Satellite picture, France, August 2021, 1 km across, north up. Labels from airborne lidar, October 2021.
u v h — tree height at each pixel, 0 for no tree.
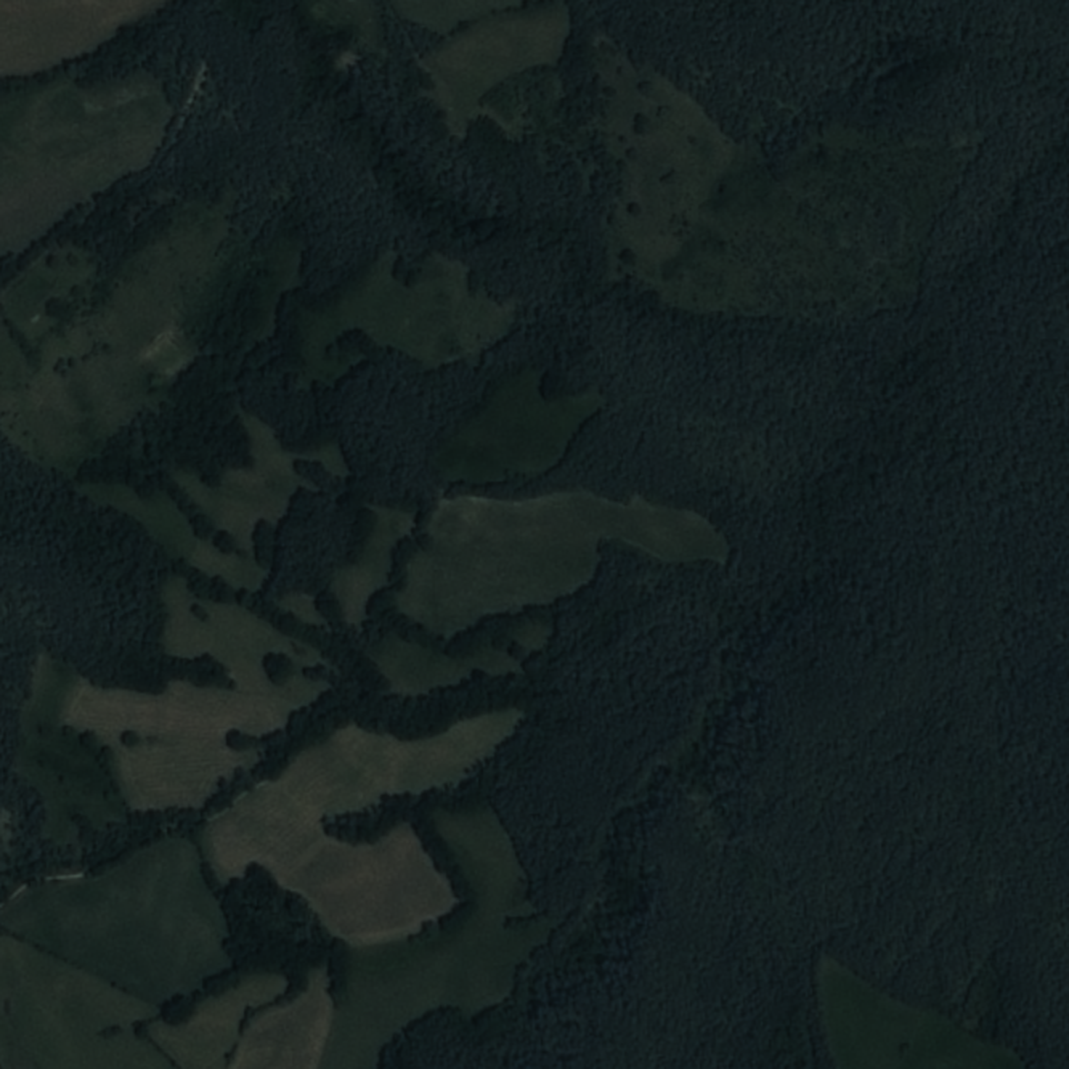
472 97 0
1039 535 13
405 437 16
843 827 11
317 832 0
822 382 7
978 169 11
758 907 10
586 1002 13
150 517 0
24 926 0
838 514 18
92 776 0
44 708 0
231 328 17
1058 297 13
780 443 8
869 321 10
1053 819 13
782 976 16
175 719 0
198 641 0
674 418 9
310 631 14
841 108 18
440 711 19
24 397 0
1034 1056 16
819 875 7
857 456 17
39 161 0
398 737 19
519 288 17
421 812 25
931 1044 0
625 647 11
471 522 0
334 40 11
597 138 11
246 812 0
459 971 0
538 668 20
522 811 12
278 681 17
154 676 18
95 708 0
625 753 15
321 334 0
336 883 0
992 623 10
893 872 13
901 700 8
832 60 11
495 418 0
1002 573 13
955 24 18
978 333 14
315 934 20
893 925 12
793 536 12
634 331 12
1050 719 11
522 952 0
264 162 9
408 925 0
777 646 15
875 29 11
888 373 15
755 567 12
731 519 13
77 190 0
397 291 0
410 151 16
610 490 11
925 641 9
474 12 0
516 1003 9
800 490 12
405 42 6
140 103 0
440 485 15
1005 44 12
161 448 13
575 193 16
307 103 11
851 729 6
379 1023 0
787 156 19
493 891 0
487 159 10
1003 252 15
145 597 18
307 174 12
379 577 0
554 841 14
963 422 13
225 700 0
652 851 13
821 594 12
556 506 0
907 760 12
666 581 10
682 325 12
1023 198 17
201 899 0
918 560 12
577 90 7
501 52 0
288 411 18
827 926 8
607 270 10
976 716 11
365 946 0
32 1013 0
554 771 14
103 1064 0
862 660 11
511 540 0
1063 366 10
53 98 0
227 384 15
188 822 11
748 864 9
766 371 7
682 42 14
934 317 17
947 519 7
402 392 17
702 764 10
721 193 9
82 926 0
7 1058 0
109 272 10
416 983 0
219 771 0
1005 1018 10
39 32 0
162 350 0
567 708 15
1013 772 9
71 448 0
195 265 0
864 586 9
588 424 10
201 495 0
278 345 14
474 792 21
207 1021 0
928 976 9
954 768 13
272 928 23
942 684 7
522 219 20
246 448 11
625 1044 6
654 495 14
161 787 0
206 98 6
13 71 0
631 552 6
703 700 12
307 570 18
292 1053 0
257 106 10
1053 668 13
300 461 7
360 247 13
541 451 0
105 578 13
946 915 9
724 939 9
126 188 11
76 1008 0
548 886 16
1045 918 8
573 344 19
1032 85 12
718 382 11
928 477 15
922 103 18
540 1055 11
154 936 0
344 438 17
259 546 12
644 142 0
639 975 8
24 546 16
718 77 11
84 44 0
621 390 7
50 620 11
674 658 16
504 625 18
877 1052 0
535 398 0
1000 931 7
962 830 10
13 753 14
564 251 13
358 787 0
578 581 0
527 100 6
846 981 0
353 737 0
